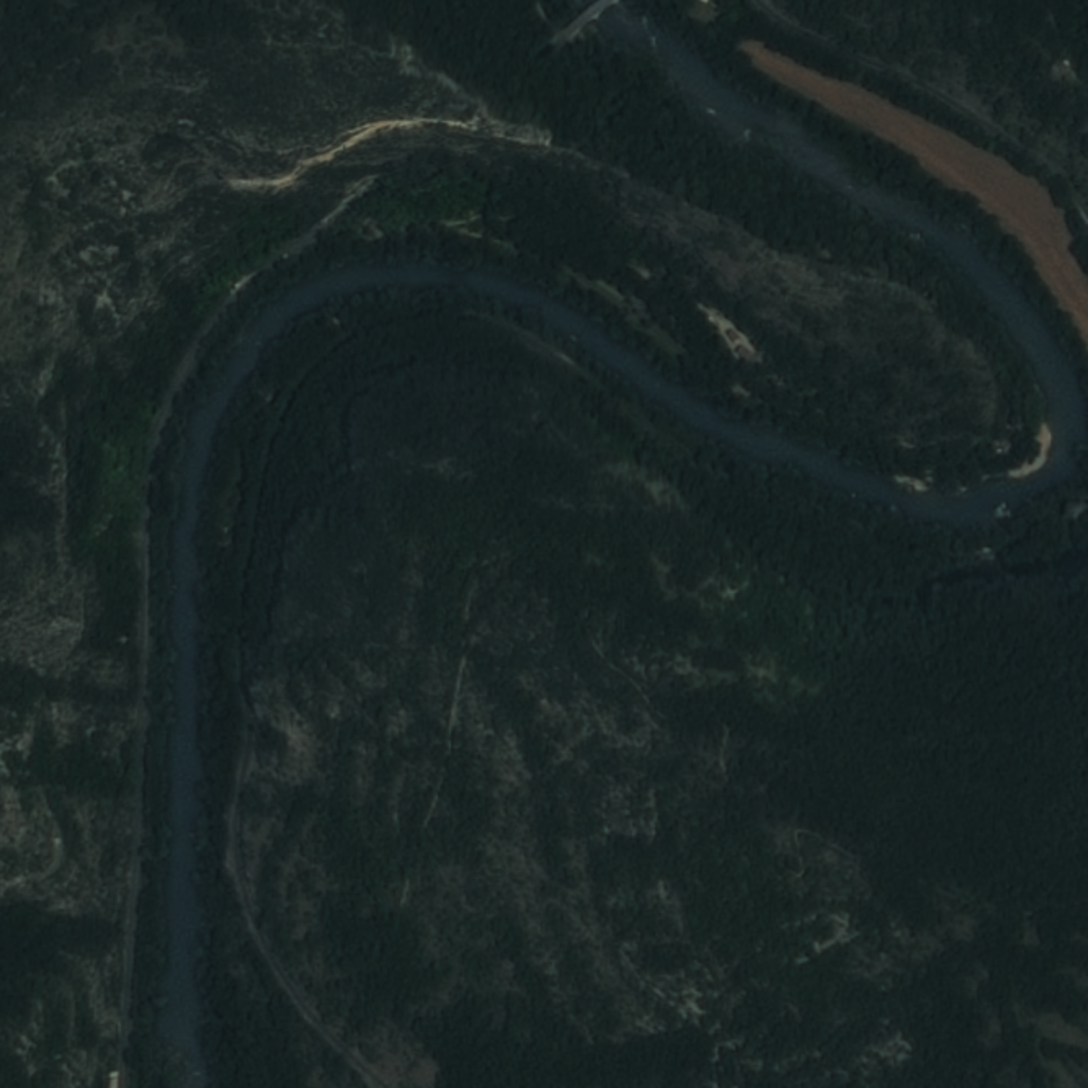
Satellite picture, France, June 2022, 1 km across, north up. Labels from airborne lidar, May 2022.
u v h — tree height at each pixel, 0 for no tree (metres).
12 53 8
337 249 22
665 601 9
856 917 6
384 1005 7
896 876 8
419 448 10
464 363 11
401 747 9
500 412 6
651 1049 9
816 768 7
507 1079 13
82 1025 8
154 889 13
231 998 10
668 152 22
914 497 0
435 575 8
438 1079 7
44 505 11
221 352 30
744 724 6
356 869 12
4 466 10
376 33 37
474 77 19
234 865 0
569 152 10
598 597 8
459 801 8
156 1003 24
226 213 8
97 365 11
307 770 0
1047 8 12
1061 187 17
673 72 0
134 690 11
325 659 7
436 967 11
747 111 0
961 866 6
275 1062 14
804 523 18
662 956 7
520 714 7
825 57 20
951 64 7
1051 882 9
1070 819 9
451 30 14
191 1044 0
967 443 11
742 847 5
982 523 0
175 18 8
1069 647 10
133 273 10
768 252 11
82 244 7
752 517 12
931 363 10
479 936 6
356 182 17
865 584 12
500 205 19
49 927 9
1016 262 17
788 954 7
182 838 0
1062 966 6
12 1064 7
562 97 13
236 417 19
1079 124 13
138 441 38
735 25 18
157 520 21
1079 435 0
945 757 8
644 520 10
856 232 25
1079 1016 10
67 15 8
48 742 9
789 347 13
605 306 18
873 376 8
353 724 6
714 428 0
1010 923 9
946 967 7
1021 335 0
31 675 9
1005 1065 8
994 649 9
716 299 12
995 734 9
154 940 21
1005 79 10
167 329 12
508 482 9
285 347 23
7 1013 8
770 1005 7
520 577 7
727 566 12
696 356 19
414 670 7
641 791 6
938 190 13
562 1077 11
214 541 13
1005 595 6
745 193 21
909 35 10
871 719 10
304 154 48
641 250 15
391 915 7
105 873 6
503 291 0
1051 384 0
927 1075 7
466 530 7
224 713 12
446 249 22
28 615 8
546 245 22
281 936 8
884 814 10
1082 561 11
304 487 8
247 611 18
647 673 6
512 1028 10
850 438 17
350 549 6
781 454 0
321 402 12
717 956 6
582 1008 6
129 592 14
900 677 13
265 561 14
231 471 11
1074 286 0
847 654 7
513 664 6
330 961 10
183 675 0
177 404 19
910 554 25
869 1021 5
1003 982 11
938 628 11
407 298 13
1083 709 9
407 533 7
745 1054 9
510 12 23
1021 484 0
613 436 9
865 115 0
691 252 6
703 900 7
